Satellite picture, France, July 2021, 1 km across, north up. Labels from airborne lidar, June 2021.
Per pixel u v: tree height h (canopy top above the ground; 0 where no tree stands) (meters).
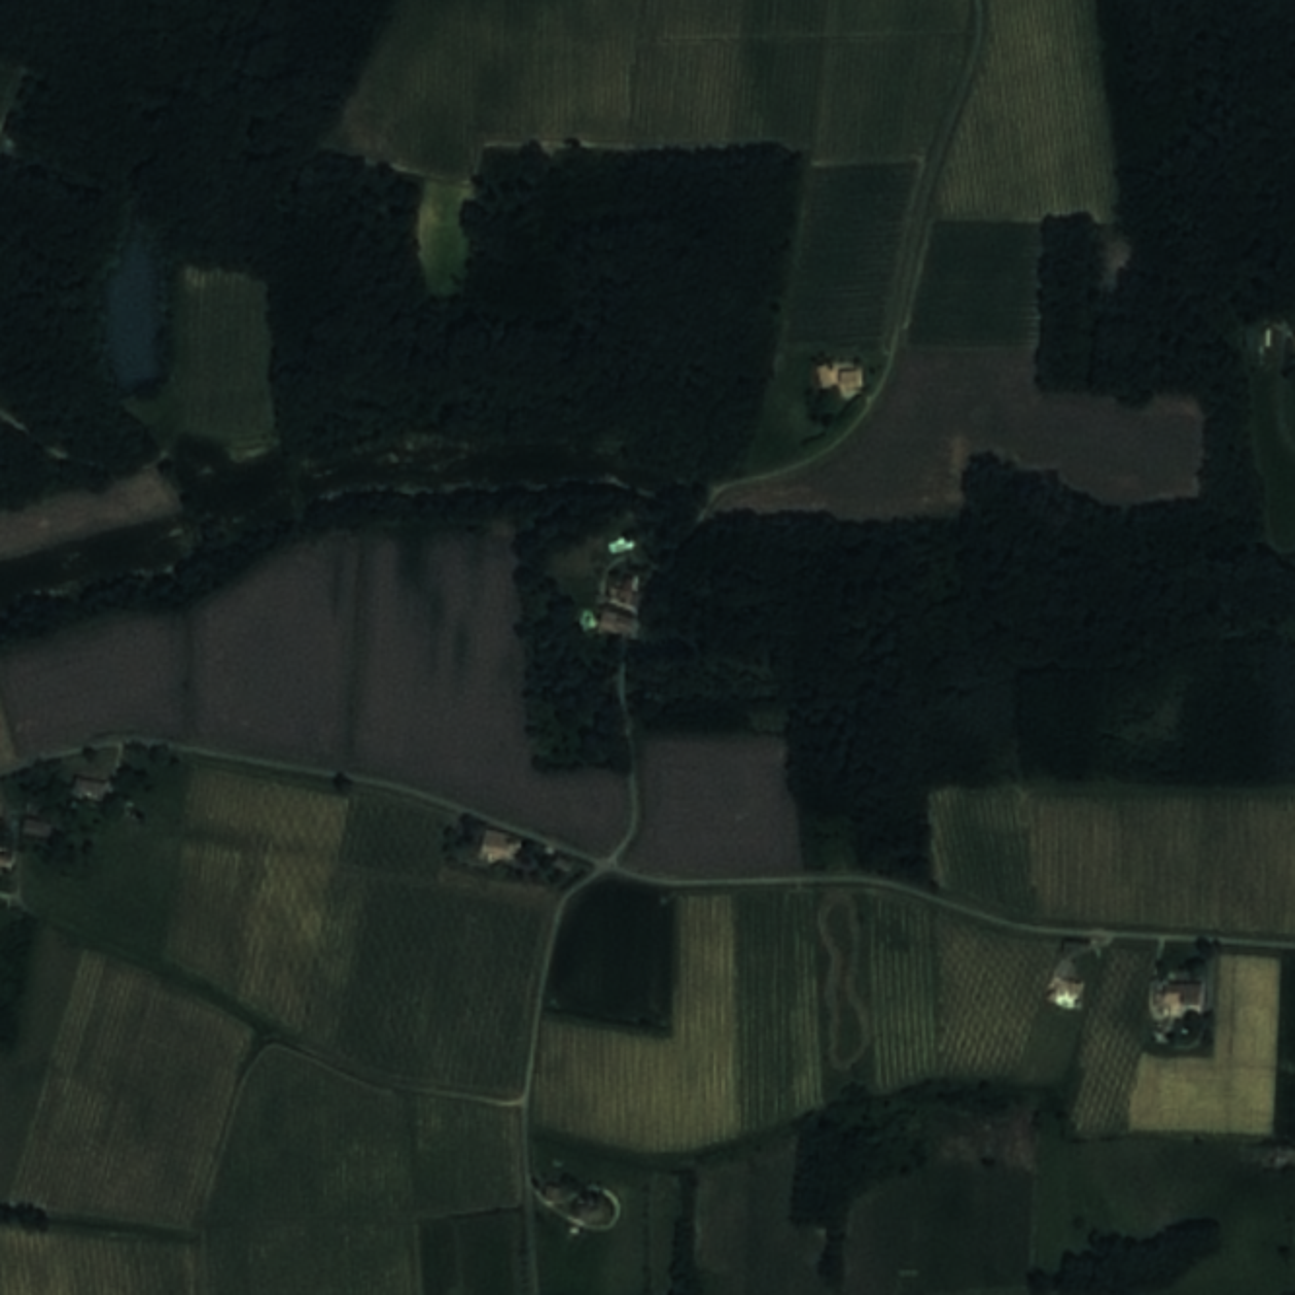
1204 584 19
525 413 22
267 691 0
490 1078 0
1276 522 0
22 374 18
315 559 0
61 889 0
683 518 24
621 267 23
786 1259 0
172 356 13
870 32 0
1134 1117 0
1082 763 14
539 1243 0
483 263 7
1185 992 0
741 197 23
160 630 0
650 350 23
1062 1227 0
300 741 0
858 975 0
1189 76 19
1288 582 21
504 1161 0
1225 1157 0
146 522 0
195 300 0
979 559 20
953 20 0
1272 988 0
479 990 0
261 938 0
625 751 19
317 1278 0
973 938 0
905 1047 0
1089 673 15
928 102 0
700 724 16
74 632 0
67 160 26
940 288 0
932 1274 0
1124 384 18
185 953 0
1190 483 0
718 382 18
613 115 0
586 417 26
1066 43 0
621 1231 0
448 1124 0
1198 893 0
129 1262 0
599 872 0
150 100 24
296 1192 0
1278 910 0
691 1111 0
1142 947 0
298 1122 0
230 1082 0
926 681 21
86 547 0
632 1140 0
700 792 0
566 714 12
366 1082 0
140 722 0
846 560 17
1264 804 0
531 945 0
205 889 0
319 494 0
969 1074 0
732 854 0
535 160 20
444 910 0
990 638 17
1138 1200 0
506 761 0
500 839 0
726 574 26
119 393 10
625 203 7
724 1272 0
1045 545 23
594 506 23
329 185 18
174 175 23
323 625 0
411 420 11
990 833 0
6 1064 0
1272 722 11
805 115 0
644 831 0
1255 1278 0
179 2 23
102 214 24
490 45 0
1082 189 0
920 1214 0
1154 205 23
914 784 20
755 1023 0
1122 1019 0
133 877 0
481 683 0
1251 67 24
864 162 0
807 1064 0
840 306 0
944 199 0
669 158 16
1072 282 19
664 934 0
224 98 24
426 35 0
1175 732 6
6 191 22
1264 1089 0
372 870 0
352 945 0
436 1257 0
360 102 0
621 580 6
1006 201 0
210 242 19
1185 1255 17
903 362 0
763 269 24
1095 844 0
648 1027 8
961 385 0
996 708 18
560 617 13
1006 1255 0
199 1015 0
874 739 25
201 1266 0
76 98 24
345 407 23
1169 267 22
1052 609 18
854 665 21
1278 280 25
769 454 0
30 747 0
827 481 0
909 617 23
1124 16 10
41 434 15
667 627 13
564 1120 0
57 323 19
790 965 0
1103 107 0
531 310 11
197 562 13
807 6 0
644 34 0
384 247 19
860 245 0
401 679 0
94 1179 0
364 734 0
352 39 17
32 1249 0
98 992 0
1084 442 0
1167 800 0
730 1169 0
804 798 13
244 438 0
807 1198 14
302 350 11
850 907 0
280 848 0
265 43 29
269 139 20
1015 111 0
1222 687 10
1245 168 22
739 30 0
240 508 0
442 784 0
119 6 23
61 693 0
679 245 13
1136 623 24
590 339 25
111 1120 0
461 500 18
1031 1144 0
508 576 0
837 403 9
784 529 21
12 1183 0
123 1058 0
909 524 10
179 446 0
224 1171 0
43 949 0
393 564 0
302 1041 0
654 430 13
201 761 0
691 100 0
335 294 19
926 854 8
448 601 0
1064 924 0
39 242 19
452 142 0
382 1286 0
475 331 26
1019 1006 0
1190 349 27
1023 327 0
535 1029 0
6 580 0
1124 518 16
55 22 21
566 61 0
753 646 17
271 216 22
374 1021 0
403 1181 0
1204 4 27
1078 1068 0
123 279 0
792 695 10
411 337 10
